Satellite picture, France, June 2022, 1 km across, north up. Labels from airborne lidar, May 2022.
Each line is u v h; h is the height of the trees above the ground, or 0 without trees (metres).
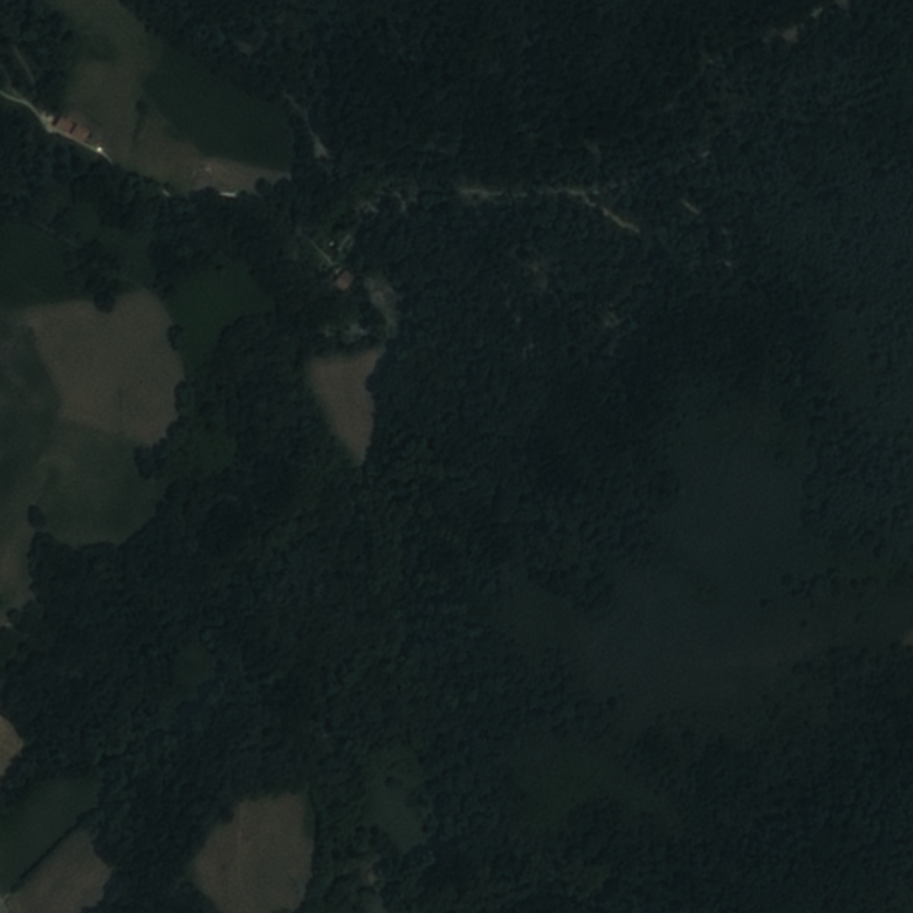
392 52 26
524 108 8
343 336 7
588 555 6
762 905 25
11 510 0
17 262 0
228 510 33
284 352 25
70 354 0
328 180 23
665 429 6
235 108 0
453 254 22
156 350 0
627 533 15
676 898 23
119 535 0
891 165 15
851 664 15
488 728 16
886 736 25
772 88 22
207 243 18
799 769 22
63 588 17
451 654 20
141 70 0
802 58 25
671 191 23
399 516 28
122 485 0
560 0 32
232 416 12
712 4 36
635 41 24
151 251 6
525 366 11
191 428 12
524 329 16
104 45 0
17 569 0
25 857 0
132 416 0
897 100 14
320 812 14
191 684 0
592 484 27
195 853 16
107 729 31
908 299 16
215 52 19
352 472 22
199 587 22
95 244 10
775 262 24
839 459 20
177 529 8
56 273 0
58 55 31
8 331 0
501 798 16
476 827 24
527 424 8
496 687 24
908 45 20
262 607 13
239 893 0
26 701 19
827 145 22
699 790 19
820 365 17
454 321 14
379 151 24
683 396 6
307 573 8
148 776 27
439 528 21
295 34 23
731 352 9
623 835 14
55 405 0
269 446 9
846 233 27
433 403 22
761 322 21
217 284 0
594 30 32
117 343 0
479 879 35
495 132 23
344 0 19
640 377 19
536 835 12
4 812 22
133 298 0
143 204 9
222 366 16
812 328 21
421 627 24
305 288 16
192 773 14
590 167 23
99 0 0
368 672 21
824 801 31
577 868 32
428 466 30
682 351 11
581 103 39
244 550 33
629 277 16
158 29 19
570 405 11
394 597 22
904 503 16
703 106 7
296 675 18
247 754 18
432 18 31
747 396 10
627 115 33
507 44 27
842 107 20
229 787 16
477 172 16
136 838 21
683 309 12
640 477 26
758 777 24
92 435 0
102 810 11
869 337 8
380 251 22
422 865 33
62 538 0
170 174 0
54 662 13
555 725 12
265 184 17
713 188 22
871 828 16
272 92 17
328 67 23
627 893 20
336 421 0
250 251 14
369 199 14
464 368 8
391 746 10
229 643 26
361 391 0
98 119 0
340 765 28
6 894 0
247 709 22
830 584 14
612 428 21
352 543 20
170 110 0
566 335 11
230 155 0
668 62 35
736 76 25
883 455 17
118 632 24
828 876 11
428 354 14
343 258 10
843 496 27
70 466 0
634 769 14
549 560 18
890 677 16
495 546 17
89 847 0
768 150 21
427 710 7
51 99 9
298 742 17
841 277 25
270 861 0
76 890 0
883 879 10
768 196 28
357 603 18
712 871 20
